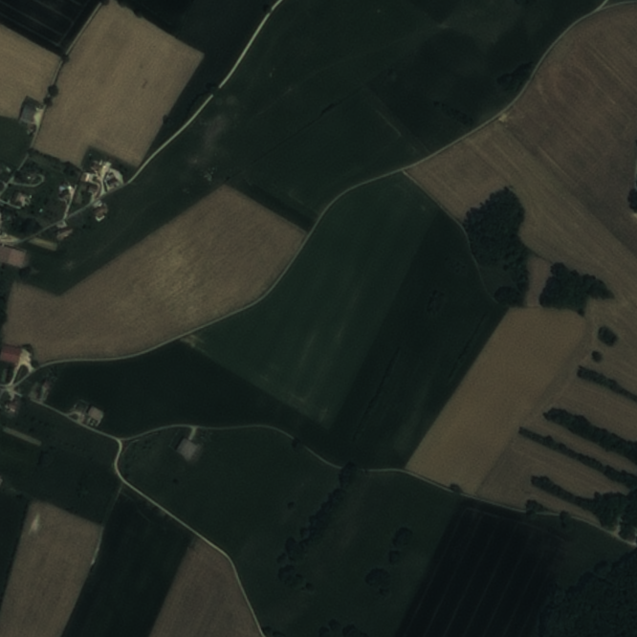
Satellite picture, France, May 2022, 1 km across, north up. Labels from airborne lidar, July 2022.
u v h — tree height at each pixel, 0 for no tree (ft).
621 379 0
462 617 0
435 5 0
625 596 49
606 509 44
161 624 0
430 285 0
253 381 0
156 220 0
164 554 0
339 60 0
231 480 0
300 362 0
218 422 0
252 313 0
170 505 0
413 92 0
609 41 0
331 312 0
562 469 0
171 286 0
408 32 0
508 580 0
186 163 0
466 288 0
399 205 0
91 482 0
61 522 0
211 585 0
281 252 0
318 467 0
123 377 0
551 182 0
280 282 0
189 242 0
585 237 0
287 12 0
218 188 0
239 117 0
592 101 0
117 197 0
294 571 50
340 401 0
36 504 0
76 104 0
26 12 0
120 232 0
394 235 0
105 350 0
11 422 0
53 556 0
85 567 0
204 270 0
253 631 0
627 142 0
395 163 0
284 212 0
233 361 0
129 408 0
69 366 0
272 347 0
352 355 0
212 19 0
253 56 0
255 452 0
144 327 0
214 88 37
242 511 0
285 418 0
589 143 0
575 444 0
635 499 51
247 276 0
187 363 0
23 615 0
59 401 0
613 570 36
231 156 0
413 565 0
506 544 0
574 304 43
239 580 0
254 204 0
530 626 0
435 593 0
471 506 0
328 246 0
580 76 0
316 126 0
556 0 0
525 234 0
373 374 0
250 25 0
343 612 0
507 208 56
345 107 0
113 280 0
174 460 0
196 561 0
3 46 0
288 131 0
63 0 0
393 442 0
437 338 0
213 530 0
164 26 0
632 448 49
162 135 0
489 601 0
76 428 0
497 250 47
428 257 0
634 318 0
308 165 0
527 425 0
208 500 0
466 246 0
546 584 0
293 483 0
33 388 0
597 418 0
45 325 0
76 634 0
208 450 0
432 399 0
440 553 0
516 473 0
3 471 0
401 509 0
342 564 0
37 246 0
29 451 0
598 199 0
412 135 0
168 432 0
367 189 0
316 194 0
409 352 0
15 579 0
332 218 0
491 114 0
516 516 0
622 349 0
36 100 0
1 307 54
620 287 0
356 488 0
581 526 0
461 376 0
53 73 0
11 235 0
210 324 0
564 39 0
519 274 28
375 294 0
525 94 0
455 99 0
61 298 0
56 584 0
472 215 54
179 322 0
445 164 0
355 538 0
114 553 0
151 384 0
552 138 0
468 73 0
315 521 48
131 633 0
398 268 0
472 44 0
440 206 0
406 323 0
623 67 0
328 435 0
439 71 0
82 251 0
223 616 0
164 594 0
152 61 0
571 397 0
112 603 0
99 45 0
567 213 0
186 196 0
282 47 0
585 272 0
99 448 0
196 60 0
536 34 0
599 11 0
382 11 0
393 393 0
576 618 64
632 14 0
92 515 0
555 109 0
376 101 0
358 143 0
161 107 0
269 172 0
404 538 49
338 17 0
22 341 0
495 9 0
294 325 0
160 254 0
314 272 0
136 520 0
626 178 0
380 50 0
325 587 0
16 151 0
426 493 0
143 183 0
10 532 0
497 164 0
